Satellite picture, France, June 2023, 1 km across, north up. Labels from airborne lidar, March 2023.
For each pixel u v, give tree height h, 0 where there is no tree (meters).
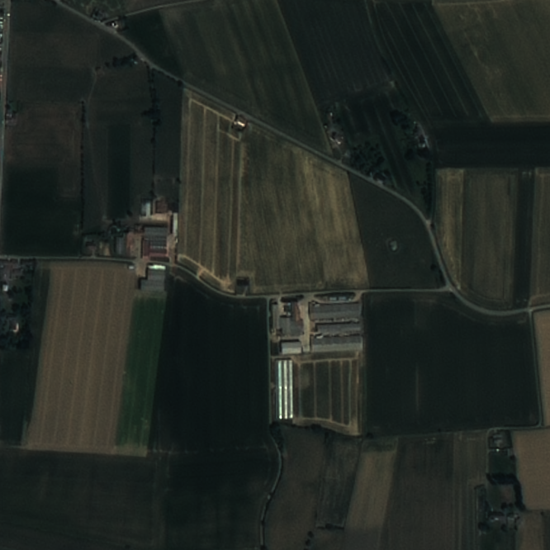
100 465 0
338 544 0
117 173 0
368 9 0
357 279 0
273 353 0
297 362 0
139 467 0
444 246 0
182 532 0
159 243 0
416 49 0
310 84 0
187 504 0
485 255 0
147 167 0
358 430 0
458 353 0
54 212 0
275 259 0
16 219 0
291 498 0
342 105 0
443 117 0
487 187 0
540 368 0
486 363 0
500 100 0
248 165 0
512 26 0
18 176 0
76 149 0
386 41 0
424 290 0
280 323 0
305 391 0
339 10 0
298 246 0
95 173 0
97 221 0
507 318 0
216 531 0
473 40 0
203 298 0
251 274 0
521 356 0
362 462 0
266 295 0
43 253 0
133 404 0
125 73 0
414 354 0
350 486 0
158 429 0
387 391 0
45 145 0
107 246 0
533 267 0
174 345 0
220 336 0
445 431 0
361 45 0
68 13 0
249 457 0
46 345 0
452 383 0
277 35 0
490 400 0
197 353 0
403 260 0
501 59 0
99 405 0
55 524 0
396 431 0
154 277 0
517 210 0
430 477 0
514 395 0
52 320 0
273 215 0
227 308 0
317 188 0
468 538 0
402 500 0
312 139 0
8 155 0
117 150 0
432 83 0
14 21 0
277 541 0
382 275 0
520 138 0
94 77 0
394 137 0
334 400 0
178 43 0
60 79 0
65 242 0
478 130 0
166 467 0
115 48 0
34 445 0
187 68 0
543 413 0
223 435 0
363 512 0
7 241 0
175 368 0
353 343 0
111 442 0
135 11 0
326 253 0
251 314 0
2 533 0
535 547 0
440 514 0
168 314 0
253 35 0
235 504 0
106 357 0
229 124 0
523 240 0
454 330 0
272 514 0
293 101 0
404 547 0
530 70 0
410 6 0
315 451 0
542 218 0
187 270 0
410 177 0
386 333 0
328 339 0
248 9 0
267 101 0
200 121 0
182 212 0
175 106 0
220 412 0
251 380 0
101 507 0
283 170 0
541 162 0
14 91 0
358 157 13
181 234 0
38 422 0
